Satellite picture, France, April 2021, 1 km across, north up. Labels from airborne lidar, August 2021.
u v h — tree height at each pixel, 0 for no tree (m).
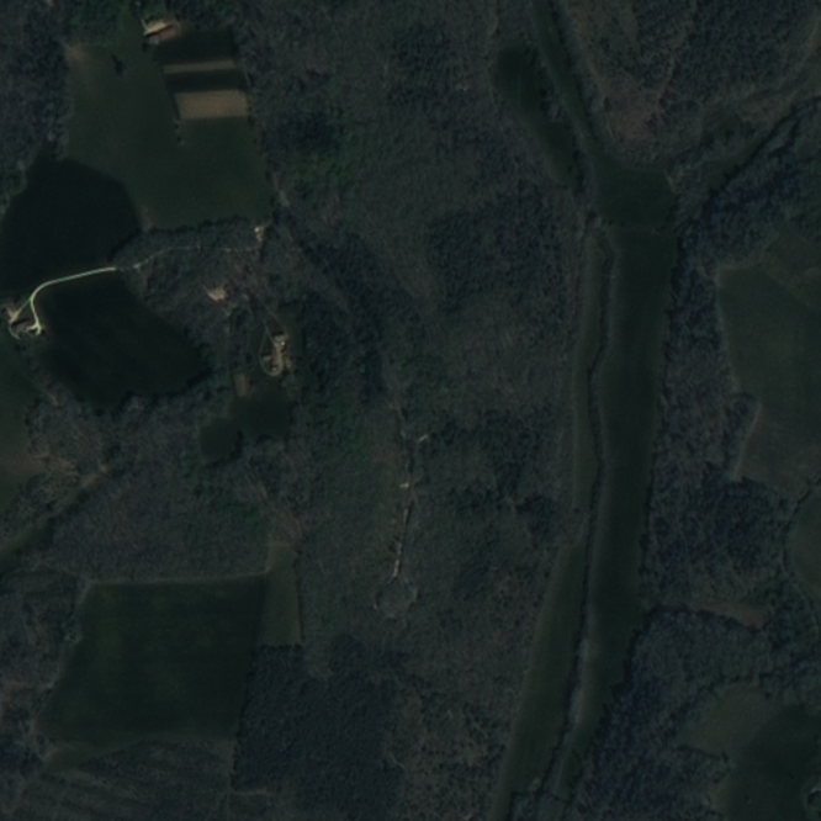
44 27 20
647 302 0
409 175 18
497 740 10
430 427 15
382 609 21
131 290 13
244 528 18
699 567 9
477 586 15
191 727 0
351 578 16
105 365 0
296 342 0
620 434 0
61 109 19
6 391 0
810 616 9
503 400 17
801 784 0
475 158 14
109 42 25
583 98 14
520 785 0
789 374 0
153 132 0
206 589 0
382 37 17
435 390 18
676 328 12
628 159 11
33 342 13
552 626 0
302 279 19
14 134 20
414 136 19
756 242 15
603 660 0
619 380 0
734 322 0
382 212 19
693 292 18
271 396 0
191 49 0
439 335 18
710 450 12
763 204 21
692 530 10
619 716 14
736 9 15
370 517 17
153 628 0
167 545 22
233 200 0
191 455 18
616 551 0
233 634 0
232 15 17
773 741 0
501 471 16
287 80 26
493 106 18
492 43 20
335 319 18
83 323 0
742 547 19
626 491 0
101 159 0
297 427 19
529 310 12
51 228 0
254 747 13
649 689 22
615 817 9
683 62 12
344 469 17
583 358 0
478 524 18
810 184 14
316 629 18
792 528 6
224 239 17
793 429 0
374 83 15
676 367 19
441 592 21
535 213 10
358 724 23
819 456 0
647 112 0
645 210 0
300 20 15
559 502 17
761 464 0
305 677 15
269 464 8
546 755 0
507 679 13
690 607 0
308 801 17
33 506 7
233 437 0
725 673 23
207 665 0
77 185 0
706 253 16
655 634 21
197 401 15
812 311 0
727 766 12
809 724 0
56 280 0
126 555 11
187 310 12
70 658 0
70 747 0
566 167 0
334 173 19
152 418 24
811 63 12
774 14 21
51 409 13
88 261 0
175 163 0
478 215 17
